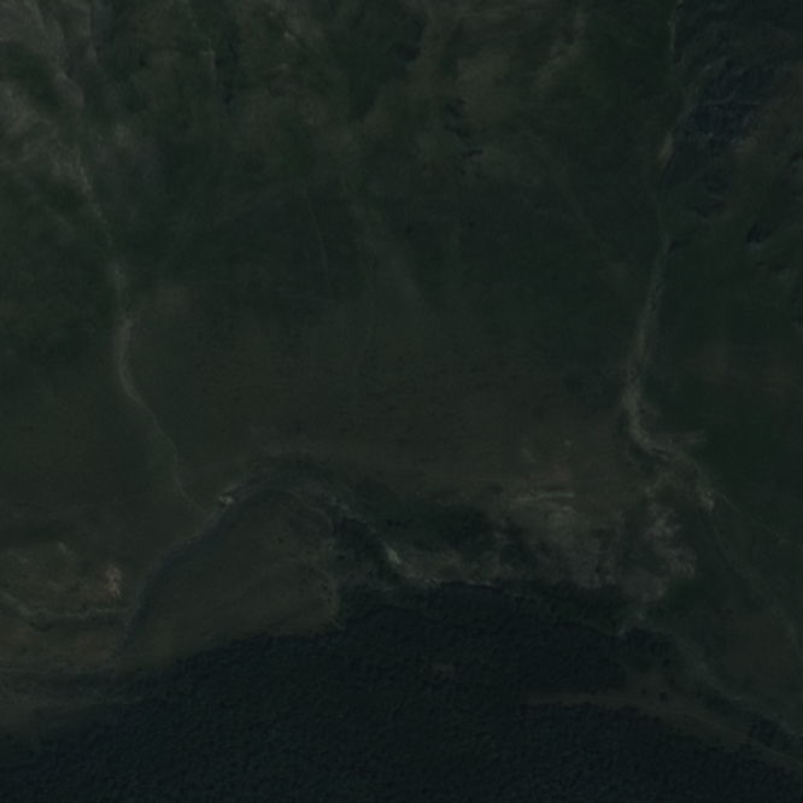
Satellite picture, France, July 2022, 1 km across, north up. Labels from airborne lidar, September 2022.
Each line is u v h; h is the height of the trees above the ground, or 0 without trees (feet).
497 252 0
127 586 0
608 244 0
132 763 50
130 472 0
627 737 77
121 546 0
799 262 0
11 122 0
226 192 0
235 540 0
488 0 0
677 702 0
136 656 0
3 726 0
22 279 0
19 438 0
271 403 0
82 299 0
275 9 0
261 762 45
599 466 0
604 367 0
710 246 0
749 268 0
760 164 0
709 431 0
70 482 0
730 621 0
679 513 0
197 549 0
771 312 0
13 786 51
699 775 72
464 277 0
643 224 0
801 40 0
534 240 0
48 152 0
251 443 0
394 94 0
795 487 0
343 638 50
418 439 0
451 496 0
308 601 0
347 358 0
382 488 0
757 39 0
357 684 62
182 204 0
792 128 0
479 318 0
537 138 0
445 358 0
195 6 0
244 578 0
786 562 0
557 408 0
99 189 0
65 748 39
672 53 0
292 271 0
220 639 0
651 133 0
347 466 0
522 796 73
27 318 0
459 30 0
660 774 80
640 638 34
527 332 0
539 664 77
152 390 0
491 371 0
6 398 0
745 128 0
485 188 0
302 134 0
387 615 61
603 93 0
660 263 0
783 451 0
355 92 0
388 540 0
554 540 0
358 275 0
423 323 0
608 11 0
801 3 0
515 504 0
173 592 0
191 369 0
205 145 0
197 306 0
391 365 0
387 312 0
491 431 0
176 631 0
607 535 0
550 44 0
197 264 0
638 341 0
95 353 0
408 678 62
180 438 0
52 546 0
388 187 0
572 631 51
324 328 0
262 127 0
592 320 0
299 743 52
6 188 0
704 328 0
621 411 0
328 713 52
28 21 0
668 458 0
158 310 0
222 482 0
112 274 0
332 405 0
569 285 0
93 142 0
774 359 0
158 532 0
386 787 64
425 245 0
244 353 0
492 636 56
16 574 0
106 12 0
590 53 0
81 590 0
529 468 0
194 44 0
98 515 0
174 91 0
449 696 48
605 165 0
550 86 0
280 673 45
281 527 0
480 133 0
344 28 0
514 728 73
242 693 52
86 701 0
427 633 73
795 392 0
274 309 0
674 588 0
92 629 0
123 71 0
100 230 0
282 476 0
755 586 0
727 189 0
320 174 0
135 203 0
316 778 51
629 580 0
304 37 0
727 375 0
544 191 0
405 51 0
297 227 0
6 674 0
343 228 0
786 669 0
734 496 0
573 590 22
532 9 0
